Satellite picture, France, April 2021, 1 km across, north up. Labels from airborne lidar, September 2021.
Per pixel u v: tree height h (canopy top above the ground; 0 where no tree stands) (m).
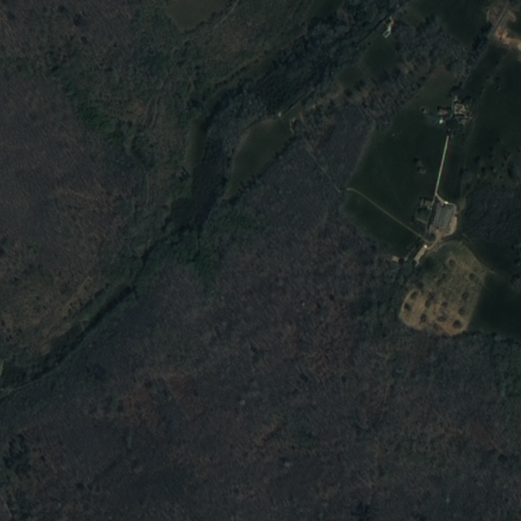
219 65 14
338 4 0
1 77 19
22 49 16
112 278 18
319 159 20
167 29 21
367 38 0
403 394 9
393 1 20
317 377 6
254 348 20
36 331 13
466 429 17
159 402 19
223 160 10
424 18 0
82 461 16
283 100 7
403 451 22
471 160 0
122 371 17
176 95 20
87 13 19
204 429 10
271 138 0
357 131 22
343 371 9
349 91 0
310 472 10
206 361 19
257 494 13
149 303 16
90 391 19
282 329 20
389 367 12
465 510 15
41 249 13
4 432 14
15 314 14
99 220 11
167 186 13
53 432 16
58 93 16
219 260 13
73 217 12
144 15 22
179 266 20
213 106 0
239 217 23
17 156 17
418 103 0
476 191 7
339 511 9
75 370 18
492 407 15
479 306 0
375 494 12
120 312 21
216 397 14
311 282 19
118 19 17
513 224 9
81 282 10
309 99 10
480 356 23
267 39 10
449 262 0
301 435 19
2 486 21
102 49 15
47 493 16
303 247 21
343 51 16
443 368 18
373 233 0
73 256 14
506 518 15
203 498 10
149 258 24
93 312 23
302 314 6
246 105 18
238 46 13
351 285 18
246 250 20
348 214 0
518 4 11
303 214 18
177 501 13
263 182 17
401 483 15
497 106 0
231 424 7
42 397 15
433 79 0
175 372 14
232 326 16
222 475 10
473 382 10
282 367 14
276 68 7
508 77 0
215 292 16
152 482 13
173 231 7
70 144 18
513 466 18
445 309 0
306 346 12
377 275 19
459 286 0
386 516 14
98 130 20
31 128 17
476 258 0
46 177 13
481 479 20
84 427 17
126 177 20
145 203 7
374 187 0
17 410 14
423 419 11
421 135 0
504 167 10
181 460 7
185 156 16
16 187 15
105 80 13
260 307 15
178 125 15
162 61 18
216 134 19
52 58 12
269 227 21
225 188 17
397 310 13
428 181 0
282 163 19
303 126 19
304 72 20
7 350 14
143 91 18
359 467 16
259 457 9
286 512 17
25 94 17
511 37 0
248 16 8
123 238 16
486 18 0
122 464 11
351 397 12
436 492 18
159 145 15
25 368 18
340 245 7
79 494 10
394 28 6
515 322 0
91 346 14
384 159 0
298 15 11
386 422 10
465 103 13
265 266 19
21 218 16
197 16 0
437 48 23
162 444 7
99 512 11
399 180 0
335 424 14
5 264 14
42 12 16
